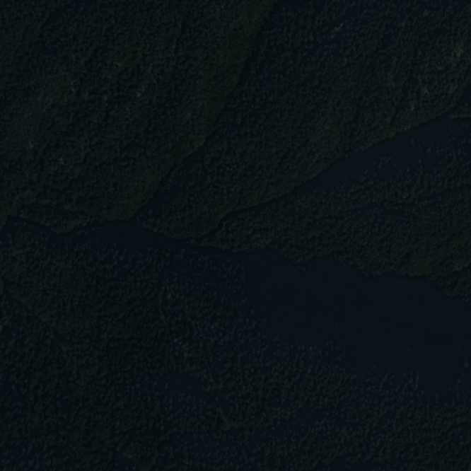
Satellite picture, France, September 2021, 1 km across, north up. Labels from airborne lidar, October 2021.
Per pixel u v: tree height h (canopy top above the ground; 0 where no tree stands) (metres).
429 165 18
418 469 11
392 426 28
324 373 28
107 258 15
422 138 11
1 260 12
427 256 15
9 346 25
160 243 17
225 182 22
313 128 12
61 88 18
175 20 21
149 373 25
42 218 19
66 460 14
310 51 7
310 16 17
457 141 15
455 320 8
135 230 15
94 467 12
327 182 12
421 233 23
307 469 22
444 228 15
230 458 27
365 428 25
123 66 9
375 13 26
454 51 14
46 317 17
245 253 18
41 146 29
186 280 25
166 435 18
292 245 9
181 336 26
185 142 22
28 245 14
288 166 24
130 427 12
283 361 25
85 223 16
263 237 19
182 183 21
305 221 23
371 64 18
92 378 15
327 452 28
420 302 9
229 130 18
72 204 37
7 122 20
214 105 14
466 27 25
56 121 36
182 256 18
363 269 10
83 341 19
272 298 19
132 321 23
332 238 10
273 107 24
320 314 17
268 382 17
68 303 17
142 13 20
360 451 22
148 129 29
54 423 8
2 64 29
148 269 16
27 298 24
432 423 20
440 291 10
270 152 26
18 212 10
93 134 18
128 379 21
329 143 16
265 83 23
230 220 16
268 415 9
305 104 18
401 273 9
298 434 27
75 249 22
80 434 20
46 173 24
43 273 18
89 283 19
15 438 33
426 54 26
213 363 17
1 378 15
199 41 21
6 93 33
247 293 18
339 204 23
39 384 12
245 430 21
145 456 8
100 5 29
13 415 28
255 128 21
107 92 13
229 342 20
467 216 23
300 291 12
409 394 14
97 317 21
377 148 13
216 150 18
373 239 25
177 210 21
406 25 26
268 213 16
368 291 13
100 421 10
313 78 20
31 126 16
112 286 21
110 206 22
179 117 21
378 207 19
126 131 20
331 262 9
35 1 19
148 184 23
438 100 26
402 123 11
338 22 11
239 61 10
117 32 27
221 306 26
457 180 27
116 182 25
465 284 10
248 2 20
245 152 22
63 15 34
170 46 26
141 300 6
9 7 27
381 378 26
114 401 14
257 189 26
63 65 18
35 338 17
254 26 10
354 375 20
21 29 27
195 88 11
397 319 6
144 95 16
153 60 14
